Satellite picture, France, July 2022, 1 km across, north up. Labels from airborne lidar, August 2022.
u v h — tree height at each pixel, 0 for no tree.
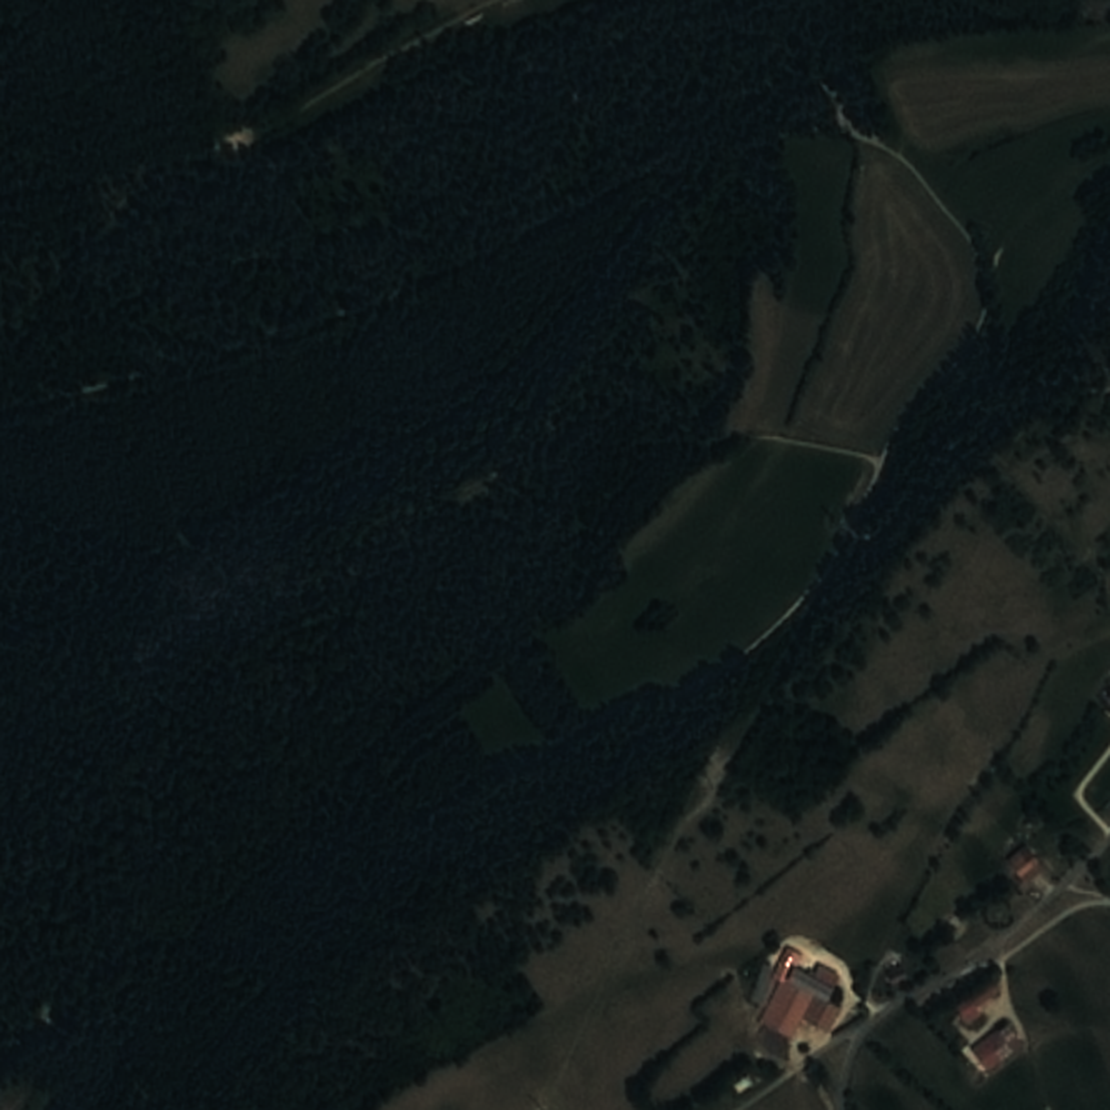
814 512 0
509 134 24
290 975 18
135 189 13
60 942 20
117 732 22
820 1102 0
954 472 20
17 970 20
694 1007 7
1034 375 16
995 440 20
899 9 13
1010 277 0
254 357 10
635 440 10
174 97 18
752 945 0
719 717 15
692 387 11
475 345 21
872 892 0
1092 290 29
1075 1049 0
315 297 27
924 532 12
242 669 25
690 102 21
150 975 23
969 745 0
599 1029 0
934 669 0
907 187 0
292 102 17
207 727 15
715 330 6
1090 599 0
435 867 30
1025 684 0
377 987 12
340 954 19
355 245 22
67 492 24
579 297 17
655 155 31
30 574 17
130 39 15
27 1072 29
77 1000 29
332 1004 15
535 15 7
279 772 21
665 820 15
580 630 0
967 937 0
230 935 9
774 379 0
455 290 23
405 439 11
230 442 21
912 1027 0
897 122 0
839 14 22
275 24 0
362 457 28
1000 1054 0
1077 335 32
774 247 6
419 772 18
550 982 0
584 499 19
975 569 0
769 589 0
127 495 24
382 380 28
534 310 16
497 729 0
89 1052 36
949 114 0
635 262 17
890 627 13
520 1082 0
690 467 21
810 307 0
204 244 22
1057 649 0
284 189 27
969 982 11
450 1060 14
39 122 19
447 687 16
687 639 0
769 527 0
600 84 28
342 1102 10
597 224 21
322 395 19
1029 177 0
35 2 19
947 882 0
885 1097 0
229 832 20
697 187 15
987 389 33
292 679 18
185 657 22
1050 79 0
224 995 11
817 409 0
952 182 0
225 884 17
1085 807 0
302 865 21
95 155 20
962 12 21
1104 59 0
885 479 9
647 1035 0
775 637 7
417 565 24
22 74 20
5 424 17
